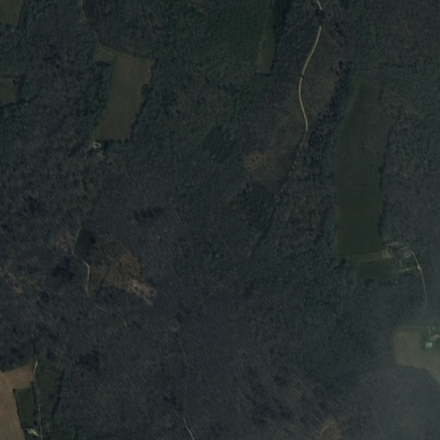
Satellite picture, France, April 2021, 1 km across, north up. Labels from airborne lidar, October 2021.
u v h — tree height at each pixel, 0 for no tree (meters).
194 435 14
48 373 0
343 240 0
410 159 16
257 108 14
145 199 20
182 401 19
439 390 20
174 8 21
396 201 18
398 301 21
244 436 19
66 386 17
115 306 17
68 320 10
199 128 17
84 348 18
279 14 0
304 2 8
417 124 8
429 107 15
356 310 22
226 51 22
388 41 16
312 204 19
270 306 13
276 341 19
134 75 0
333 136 16
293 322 19
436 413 20
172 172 22
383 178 13
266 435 20
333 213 24
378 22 14
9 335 14
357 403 9
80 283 12
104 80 17
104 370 8
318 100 0
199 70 18
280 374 22
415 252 15
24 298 17
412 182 17
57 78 19
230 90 13
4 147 20
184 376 17
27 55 20
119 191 15
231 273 16
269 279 20
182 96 16
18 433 0
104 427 20
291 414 23
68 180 22
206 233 17
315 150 12
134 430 18
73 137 20
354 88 15
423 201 19
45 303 24
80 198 16
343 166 0
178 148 16
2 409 0
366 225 0
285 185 14
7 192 18
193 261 21
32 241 13
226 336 20
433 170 18
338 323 12
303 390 19
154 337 16
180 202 21
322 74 0
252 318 14
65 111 20
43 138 12
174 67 17
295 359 14
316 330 22
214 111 15
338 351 16
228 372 19
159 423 20
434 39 17
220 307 18
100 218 18
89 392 15
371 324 20
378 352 20
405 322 24
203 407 17
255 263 14
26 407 0
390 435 21
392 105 13
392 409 9
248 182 11
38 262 11
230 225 13
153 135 16
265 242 17
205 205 18
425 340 6
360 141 0
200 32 21
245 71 14
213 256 12
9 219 17
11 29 19
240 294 20
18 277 19
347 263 17
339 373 17
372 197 0
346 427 20
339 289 22
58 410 18
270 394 21
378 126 0
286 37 6
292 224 13
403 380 21
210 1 17
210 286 19
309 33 8
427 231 17
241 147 15
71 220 22
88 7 0
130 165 18
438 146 20
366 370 23
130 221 18
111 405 19
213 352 19
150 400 20
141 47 21
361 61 19
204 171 19
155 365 22
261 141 12
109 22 17
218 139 7
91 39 21
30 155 14
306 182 7
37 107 14
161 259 17
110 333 21
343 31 15
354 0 15
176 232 17
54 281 12
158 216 28
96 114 18
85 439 21
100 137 0
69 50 17
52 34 14
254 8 13
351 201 0
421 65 17
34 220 17
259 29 18
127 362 20
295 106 0
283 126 0
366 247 0
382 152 0
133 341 14
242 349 21
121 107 0
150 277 21
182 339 18
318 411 17
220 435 23
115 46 10
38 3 17
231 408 18
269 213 7
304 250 22
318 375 19
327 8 14
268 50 0
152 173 20
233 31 18
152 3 21
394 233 18
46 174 21
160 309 18
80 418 17
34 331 16
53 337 22
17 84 14
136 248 18
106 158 17
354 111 0
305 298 23
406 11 15
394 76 20
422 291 18
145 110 15
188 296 16
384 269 0
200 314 17
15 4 0
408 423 21
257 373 20
